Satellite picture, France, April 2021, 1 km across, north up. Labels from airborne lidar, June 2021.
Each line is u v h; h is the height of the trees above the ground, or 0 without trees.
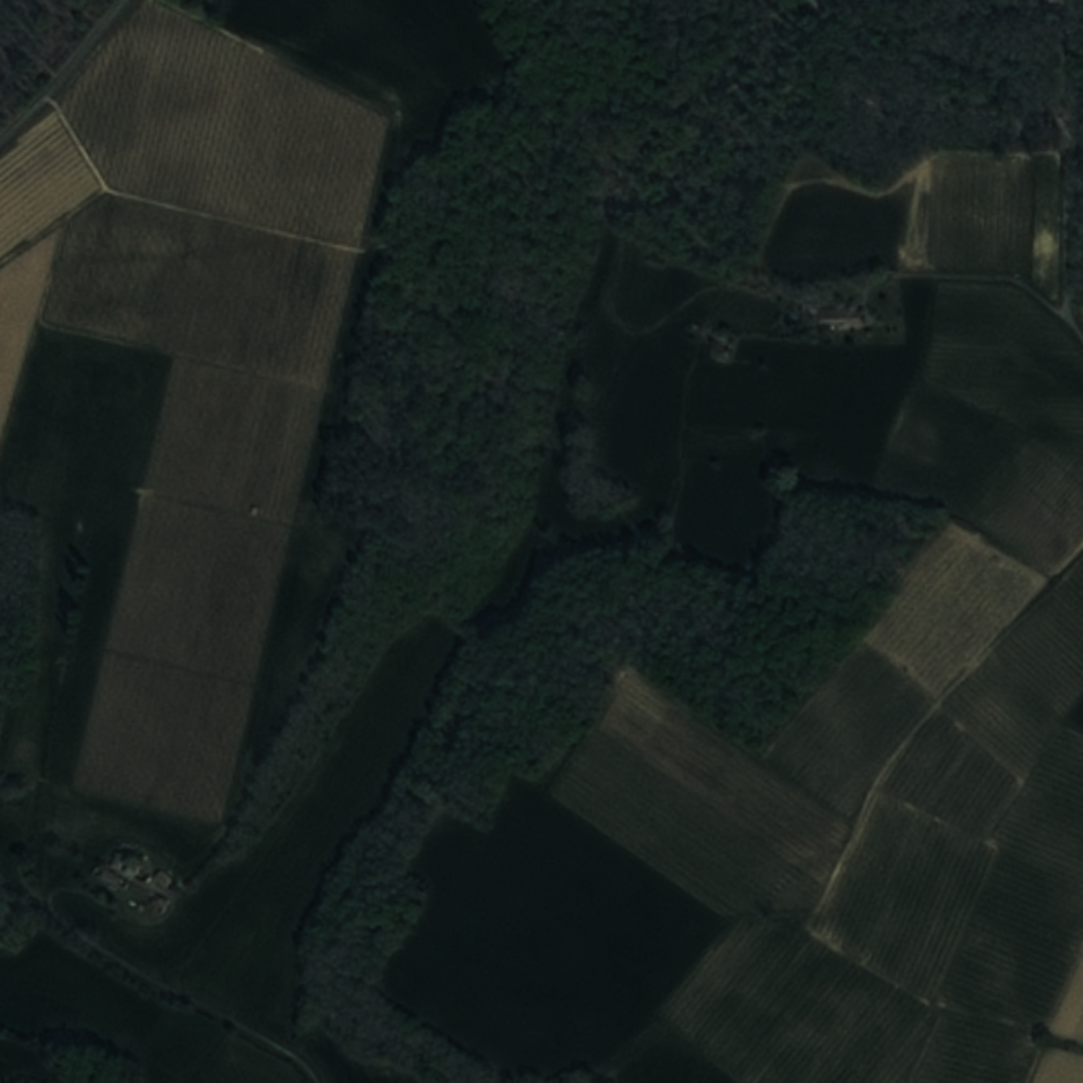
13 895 15
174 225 0
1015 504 0
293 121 0
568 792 0
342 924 17
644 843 0
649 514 0
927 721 0
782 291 13
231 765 0
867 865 0
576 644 22
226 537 0
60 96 0
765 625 27
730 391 0
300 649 0
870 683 0
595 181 30
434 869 0
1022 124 18
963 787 0
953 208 0
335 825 0
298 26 0
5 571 21
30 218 0
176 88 0
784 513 21
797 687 22
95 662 0
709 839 0
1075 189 22
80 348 0
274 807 17
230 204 0
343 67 0
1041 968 0
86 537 0
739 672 22
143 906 0
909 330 0
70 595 0
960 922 0
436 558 21
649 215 26
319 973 19
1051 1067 0
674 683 16
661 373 0
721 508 0
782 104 22
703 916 0
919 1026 0
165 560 0
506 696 24
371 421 15
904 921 0
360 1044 19
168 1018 0
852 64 21
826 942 0
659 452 0
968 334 0
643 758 0
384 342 23
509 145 24
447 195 21
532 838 0
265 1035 0
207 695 0
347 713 23
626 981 0
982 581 0
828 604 28
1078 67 21
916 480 0
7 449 0
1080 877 0
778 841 0
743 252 22
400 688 0
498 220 22
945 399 0
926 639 0
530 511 22
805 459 0
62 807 0
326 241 0
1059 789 0
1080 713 0
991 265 0
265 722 0
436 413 18
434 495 22
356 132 0
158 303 0
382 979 14
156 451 0
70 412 0
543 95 19
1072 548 0
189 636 0
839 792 0
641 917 0
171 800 0
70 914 0
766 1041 0
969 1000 0
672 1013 0
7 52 13
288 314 0
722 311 0
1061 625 0
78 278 0
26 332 0
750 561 0
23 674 21
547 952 0
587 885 0
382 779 0
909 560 15
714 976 0
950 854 0
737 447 0
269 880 0
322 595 0
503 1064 0
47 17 16
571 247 26
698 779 0
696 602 22
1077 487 0
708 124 10
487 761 19
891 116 15
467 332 28
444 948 0
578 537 0
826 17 24
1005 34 19
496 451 27
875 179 17
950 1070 0
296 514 0
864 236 0
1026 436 0
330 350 0
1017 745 0
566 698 19
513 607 0
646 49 25
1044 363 0
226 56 0
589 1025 0
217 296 0
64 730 0
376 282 16
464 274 18
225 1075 0
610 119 24
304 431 0
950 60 10
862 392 0
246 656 0
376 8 0
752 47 22
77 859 14
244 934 0
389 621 24
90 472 0
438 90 0
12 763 0
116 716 0
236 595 0
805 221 0
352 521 19
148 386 0
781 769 0
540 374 22
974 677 0
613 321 0
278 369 0
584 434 21
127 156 0
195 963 0
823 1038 0
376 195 0
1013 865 0
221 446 0
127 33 0
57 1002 0
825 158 14
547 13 21
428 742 20
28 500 0
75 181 0
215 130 0
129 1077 18
